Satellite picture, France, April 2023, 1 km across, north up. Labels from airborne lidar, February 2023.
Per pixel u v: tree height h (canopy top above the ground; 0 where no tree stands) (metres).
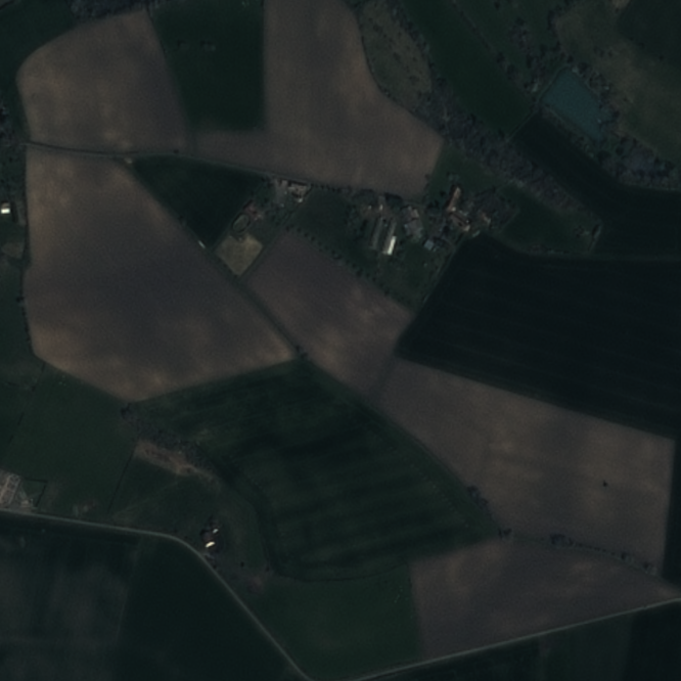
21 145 10
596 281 0
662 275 0
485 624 0
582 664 0
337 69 0
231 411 0
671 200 0
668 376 0
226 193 0
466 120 6
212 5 0
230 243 0
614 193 0
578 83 0
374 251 16
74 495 0
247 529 0
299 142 0
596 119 0
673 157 0
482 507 15
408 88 0
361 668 0
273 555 0
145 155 0
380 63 0
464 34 0
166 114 0
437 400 0
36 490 0
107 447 0
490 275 0
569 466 0
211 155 0
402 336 0
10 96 0
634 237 0
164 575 0
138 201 0
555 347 0
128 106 0
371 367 0
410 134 0
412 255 0
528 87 8
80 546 0
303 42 0
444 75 0
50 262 0
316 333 0
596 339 0
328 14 0
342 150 0
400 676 0
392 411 0
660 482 0
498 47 0
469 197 14
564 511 0
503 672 0
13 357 0
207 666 0
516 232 0
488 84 0
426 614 0
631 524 0
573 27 0
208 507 0
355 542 0
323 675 0
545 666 0
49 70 0
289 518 0
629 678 0
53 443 0
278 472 0
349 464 0
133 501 0
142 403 0
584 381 0
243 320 0
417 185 0
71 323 0
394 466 0
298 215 0
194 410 0
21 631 0
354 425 0
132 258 0
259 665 0
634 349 0
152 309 0
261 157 0
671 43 0
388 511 0
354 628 0
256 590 0
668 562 0
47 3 0
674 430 0
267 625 0
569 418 0
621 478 0
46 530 0
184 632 0
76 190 0
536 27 0
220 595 0
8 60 0
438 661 0
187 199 0
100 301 0
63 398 0
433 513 0
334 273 0
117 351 0
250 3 0
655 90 0
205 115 0
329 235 0
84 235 0
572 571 0
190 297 0
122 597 0
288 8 0
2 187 9
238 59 0
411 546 0
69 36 0
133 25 0
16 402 0
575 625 0
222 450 0
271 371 0
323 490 0
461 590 0
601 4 0
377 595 0
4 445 0
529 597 0
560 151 0
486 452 0
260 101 0
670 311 0
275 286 0
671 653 0
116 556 0
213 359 0
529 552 0
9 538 0
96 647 0
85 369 0
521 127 0
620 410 0
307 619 0
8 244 0
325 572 0
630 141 8
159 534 0
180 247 0
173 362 0
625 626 0
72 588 0
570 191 0
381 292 0
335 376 0
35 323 0
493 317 0
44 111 0
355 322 0
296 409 0
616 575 0
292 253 0
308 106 0
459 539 0
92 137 0
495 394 0
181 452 13
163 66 0
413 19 0
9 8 0
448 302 0
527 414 0
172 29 0
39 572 0
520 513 0
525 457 0
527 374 0
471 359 0
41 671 0
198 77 0
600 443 0
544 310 0
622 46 0
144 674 0
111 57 0
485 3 0
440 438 0
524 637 0
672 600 0
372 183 0
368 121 0
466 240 0
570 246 0
